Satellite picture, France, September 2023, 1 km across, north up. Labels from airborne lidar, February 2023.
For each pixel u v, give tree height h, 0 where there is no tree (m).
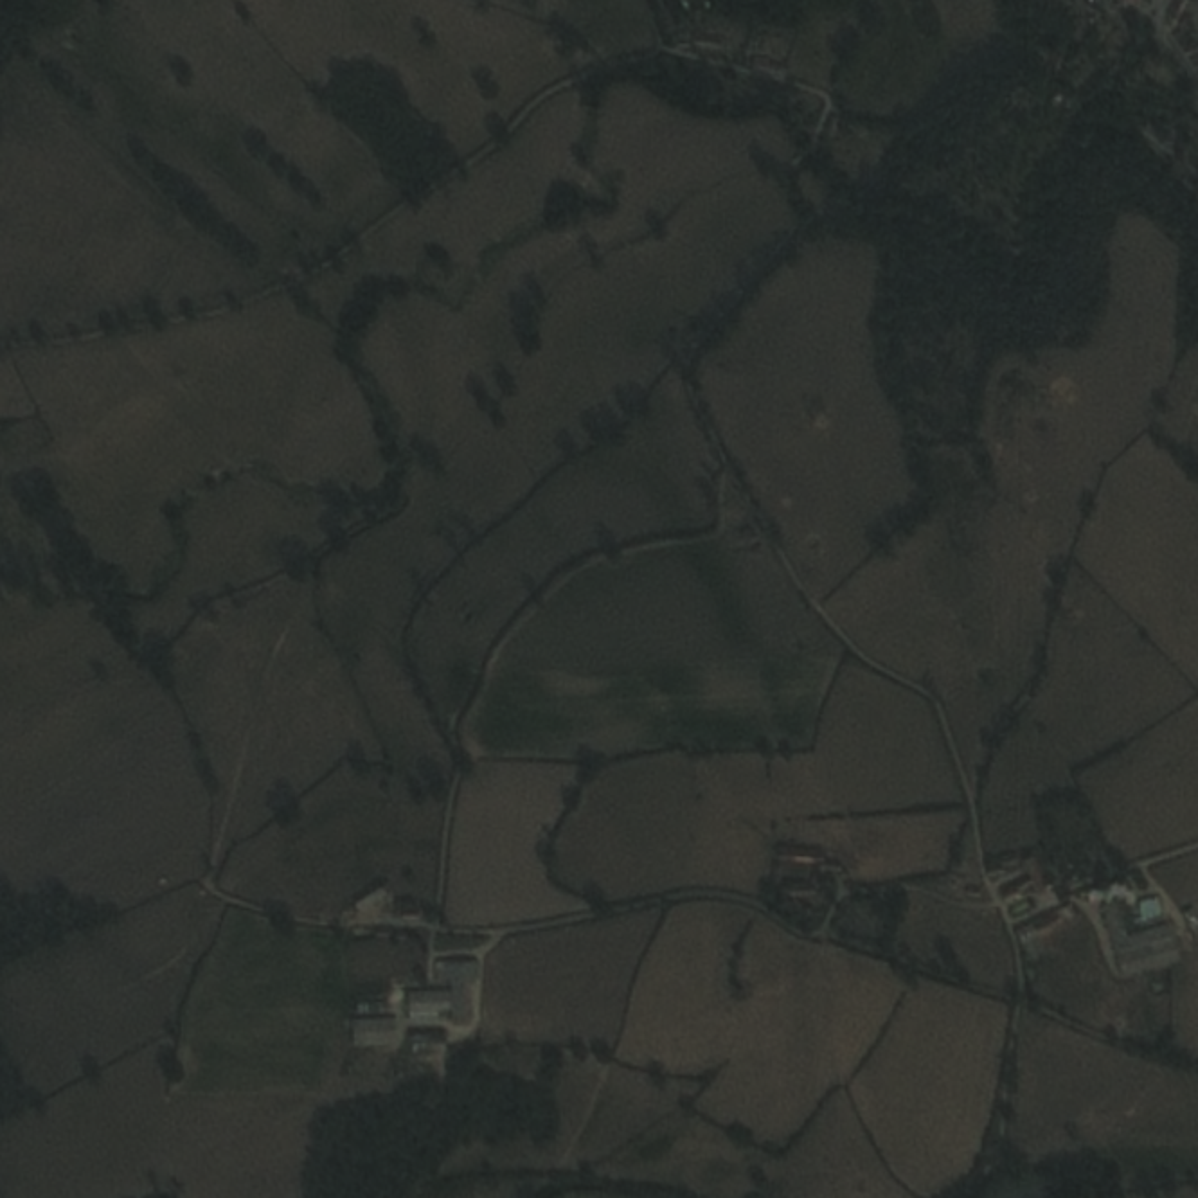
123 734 0
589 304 0
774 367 0
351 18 0
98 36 0
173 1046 0
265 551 0
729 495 0
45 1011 0
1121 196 7
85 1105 0
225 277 0
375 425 7
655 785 0
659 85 17
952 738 0
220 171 0
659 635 0
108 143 0
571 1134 0
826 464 0
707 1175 0
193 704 0
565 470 0
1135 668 0
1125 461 0
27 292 0
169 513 13
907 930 0
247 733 0
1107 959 0
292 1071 0
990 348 15
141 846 0
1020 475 0
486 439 0
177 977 0
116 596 18
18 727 0
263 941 0
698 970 0
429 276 0
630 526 0
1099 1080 0
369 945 0
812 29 0
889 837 0
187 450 0
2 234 0
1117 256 0
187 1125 0
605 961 0
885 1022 0
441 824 0
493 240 0
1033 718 0
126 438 0
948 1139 0
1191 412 0
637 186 0
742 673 0
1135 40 13
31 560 0
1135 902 0
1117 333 0
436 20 0
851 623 0
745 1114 0
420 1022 0
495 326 0
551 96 0
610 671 0
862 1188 0
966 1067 0
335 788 0
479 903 0
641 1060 0
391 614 0
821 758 0
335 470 0
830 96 0
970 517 0
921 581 0
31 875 0
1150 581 0
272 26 0
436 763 0
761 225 0
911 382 12
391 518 0
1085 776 0
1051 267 20
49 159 0
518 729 0
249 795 0
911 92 0
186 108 0
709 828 0
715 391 0
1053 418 0
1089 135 8
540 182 0
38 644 0
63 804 0
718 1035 0
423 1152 18
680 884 0
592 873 0
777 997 0
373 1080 0
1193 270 13
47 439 0
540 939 0
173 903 0
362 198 0
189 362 0
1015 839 0
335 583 0
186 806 0
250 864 0
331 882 0
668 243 0
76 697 0
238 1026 0
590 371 0
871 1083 0
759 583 0
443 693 0
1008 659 0
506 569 0
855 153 0
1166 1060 10
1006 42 10
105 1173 0
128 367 0
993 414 0
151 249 0
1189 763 0
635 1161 0
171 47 0
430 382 0
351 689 0
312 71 0
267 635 0
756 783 0
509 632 0
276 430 0
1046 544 0
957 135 15
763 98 25
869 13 15
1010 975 0
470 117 0
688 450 0
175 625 0
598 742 0
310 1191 14
